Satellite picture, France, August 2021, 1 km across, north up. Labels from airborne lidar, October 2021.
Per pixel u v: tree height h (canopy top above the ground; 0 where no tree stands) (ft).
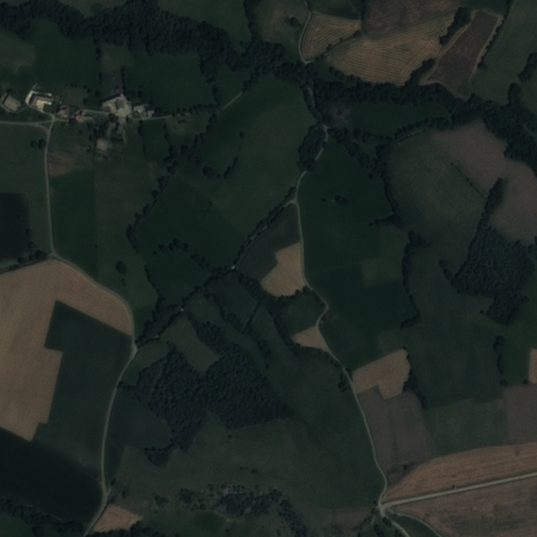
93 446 0
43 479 0
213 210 0
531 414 0
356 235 0
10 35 0
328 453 0
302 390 0
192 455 0
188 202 0
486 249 31
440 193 0
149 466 0
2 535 0
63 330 0
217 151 0
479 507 0
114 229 0
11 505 55
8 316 0
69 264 0
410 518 0
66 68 0
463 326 0
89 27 58
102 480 0
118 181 0
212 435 0
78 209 0
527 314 0
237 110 0
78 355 0
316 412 0
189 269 0
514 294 34
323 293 0
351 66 0
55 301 0
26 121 0
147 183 0
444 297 0
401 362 0
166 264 0
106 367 0
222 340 54
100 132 35
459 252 0
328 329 0
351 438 0
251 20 48
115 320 0
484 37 0
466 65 0
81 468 0
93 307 0
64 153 0
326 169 0
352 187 0
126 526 0
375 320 0
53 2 39
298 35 0
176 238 0
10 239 0
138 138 0
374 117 0
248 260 0
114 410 0
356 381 0
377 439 0
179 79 0
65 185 0
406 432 0
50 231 0
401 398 0
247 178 0
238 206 0
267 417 36
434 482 0
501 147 0
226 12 0
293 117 0
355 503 0
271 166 0
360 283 0
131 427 0
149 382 24
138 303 0
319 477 0
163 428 0
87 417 0
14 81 0
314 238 0
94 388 0
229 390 50
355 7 0
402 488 0
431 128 24
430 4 0
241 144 0
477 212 0
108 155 0
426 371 0
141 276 0
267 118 0
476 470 0
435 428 0
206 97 0
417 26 0
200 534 0
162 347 0
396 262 0
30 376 0
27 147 0
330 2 0
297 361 0
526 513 0
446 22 0
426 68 46
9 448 0
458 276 33
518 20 0
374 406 0
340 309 0
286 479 0
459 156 0
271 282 0
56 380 0
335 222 0
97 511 0
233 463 0
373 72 0
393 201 47
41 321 0
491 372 0
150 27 43
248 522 0
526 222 0
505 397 0
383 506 0
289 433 0
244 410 51
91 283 0
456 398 0
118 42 35
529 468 0
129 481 0
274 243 0
